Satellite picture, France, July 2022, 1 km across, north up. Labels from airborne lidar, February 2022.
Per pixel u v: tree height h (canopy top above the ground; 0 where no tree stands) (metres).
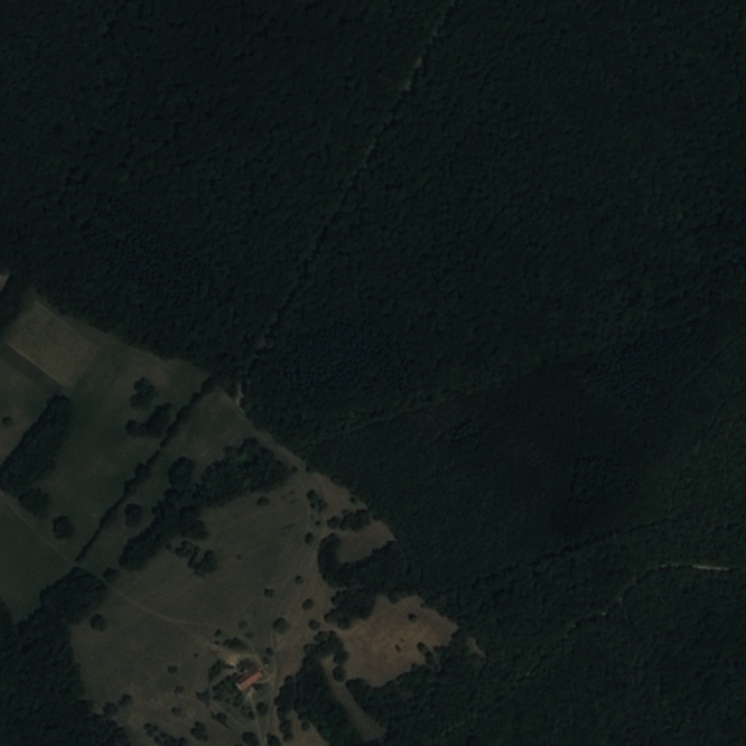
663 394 11
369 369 22
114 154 25
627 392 18
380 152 19
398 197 24
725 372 9
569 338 19
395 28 18
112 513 10
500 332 18
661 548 12
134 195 23
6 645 9
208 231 24
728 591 20
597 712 16
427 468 11
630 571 13
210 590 0
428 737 13
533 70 23
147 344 18
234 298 23
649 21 19
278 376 25
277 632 10
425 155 25
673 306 30
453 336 25
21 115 22
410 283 26
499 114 26
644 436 11
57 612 15
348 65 17
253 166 24
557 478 9
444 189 27
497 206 24
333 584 11
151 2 22
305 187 26
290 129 24
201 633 0
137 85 26
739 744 21
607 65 19
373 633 0
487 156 22
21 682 16
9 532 0
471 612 18
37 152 26
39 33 20
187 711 0
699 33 19
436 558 8
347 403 19
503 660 11
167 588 0
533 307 24
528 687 17
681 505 7
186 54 27
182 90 29
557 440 10
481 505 10
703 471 7
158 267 26
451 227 23
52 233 24
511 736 16
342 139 24
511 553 12
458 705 10
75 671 17
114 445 0
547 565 18
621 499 9
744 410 7
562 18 23
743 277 25
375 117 26
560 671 18
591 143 18
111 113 20
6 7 20
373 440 6
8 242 25
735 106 23
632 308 23
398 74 24
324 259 24
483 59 24
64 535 12
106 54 25
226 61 29
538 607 19
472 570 8
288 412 21
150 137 25
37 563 0
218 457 0
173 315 21
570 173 18
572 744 16
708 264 14
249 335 22
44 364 0
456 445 20
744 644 19
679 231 20
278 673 0
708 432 7
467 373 20
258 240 23
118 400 0
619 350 12
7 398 0
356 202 15
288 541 0
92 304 21
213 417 0
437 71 19
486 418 10
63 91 24
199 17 30
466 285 24
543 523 10
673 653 22
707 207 20
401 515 8
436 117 23
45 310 0
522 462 7
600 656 11
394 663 0
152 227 24
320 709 18
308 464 7
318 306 21
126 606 0
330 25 24
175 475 15
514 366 22
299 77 26
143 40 26
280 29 24
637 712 18
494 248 23
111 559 0
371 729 0
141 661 0
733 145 29
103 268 26
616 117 17
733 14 21
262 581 0
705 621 16
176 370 0
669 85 22
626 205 23
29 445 19
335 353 24
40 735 18
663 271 25
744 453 8
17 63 22
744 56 20
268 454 16
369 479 8
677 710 20
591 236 25
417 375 17
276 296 24
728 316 10
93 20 21
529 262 23
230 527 0
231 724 0
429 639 0
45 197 21
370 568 17
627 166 18
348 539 0
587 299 22
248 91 29
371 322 24
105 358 0
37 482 24
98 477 0
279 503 0
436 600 11
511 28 26
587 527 11
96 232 26
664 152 22
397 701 12
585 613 15
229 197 21
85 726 16
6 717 18
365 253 25
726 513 13
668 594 14
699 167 21
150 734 10
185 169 26
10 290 16
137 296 23
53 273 23
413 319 21
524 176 22
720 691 22
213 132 27
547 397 10
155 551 11
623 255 24
